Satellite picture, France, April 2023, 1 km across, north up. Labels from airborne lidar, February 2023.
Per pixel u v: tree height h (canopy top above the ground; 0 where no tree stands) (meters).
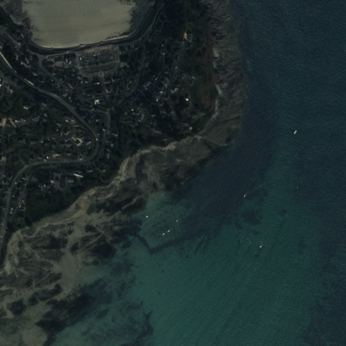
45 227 0
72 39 0
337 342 0
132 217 0
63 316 0
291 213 0
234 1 0
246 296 0
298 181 0
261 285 0
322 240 0
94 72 0
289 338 0
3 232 0
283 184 0
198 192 0
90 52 0
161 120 26
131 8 0
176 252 0
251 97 0
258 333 0
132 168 0
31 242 0
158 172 0
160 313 0
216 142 0
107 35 0
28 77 25
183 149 0
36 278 0
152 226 0
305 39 0
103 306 0
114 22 0
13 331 0
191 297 0
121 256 0
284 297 0
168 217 0
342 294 0
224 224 0
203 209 0
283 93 0
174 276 0
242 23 0
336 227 0
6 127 0
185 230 0
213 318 0
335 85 0
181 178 0
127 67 9
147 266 0
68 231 0
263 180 0
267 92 0
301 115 0
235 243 0
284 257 0
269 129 0
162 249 0
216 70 7
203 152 0
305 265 0
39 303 0
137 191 0
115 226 0
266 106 0
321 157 0
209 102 0
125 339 0
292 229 0
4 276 0
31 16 0
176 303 0
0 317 0
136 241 0
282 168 0
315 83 0
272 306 0
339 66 0
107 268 0
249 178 0
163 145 8
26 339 0
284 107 0
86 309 0
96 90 0
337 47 0
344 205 0
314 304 0
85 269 0
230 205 0
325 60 0
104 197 0
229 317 0
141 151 0
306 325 0
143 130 19
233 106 0
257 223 0
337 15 0
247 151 0
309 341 0
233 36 0
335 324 0
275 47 0
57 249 0
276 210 0
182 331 0
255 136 0
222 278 0
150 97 13
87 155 7
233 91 0
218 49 0
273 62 0
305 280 0
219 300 0
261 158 0
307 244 0
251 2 0
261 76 0
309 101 0
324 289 0
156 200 0
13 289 0
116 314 0
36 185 6
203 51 7
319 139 0
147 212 0
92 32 0
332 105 0
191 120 7
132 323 0
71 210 0
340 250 0
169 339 0
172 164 0
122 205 0
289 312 0
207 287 0
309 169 0
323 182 0
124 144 20
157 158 0
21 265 0
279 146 0
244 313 0
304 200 0
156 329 0
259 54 0
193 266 0
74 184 12
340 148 0
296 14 0
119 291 0
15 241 0
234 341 0
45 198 8
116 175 15
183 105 20
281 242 0
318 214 0
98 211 0
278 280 0
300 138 0
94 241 0
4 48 19
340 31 0
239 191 0
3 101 7
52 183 0
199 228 0
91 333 0
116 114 13
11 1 0
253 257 0
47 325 0
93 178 14
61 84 0
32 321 0
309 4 0
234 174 0
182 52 0
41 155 8
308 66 0
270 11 0
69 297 0
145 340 0
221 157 0
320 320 0
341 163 0
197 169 0
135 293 0
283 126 0
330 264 0
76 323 0
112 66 0
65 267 0
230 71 0
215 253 0
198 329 0
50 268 0
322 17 0
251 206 0
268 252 0
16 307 0
